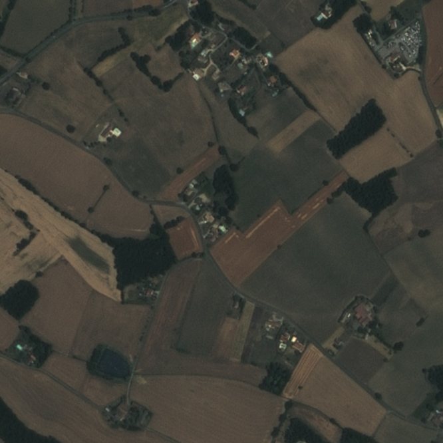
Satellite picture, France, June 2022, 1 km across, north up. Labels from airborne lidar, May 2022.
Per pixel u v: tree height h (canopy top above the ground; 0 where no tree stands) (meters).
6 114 0
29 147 0
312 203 0
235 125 0
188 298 0
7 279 0
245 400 0
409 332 0
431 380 15
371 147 0
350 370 0
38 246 0
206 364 0
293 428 15
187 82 0
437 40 0
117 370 0
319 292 0
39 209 0
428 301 0
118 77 0
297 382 0
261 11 0
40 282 0
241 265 0
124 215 0
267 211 0
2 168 0
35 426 0
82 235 0
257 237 0
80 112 0
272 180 0
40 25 0
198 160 0
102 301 0
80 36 0
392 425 0
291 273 0
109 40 0
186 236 0
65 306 0
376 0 0
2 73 10
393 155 0
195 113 0
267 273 0
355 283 0
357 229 0
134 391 0
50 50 0
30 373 0
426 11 0
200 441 0
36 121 0
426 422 11
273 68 12
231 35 11
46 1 0
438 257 0
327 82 0
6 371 0
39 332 0
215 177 13
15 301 20
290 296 0
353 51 0
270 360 0
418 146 0
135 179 0
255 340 0
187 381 0
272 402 0
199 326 0
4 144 0
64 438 0
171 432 0
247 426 0
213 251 0
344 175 0
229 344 0
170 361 0
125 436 0
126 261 19
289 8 0
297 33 0
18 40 0
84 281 0
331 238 0
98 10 0
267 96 0
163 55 0
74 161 0
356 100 0
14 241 0
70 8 8
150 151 0
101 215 0
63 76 0
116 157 0
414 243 0
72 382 0
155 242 16
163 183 0
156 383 0
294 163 0
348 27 0
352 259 0
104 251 0
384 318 0
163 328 0
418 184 0
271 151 0
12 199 0
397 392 0
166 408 0
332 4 7
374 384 0
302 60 0
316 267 0
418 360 0
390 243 0
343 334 0
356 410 0
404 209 0
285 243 0
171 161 0
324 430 0
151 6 12
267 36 0
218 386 0
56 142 0
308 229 0
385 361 8
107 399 0
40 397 0
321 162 0
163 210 0
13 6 11
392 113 0
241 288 0
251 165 0
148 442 0
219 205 13
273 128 0
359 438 15
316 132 0
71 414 0
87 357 0
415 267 0
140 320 0
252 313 0
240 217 0
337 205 0
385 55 0
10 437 15
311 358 0
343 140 9
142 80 0
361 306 0
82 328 0
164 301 0
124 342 0
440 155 0
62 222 0
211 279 0
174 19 0
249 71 11
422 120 0
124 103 0
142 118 0
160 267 17
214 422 0
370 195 15
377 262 0
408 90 0
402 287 0
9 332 0
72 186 0
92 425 0
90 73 12
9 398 0
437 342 0
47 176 0
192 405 0
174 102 0
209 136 0
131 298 0
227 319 0
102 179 0
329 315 0
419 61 12
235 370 0
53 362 0
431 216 0
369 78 0
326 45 0
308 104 10
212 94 0
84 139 0
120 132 0
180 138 0
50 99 0
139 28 0
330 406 0
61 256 0
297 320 0
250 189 0
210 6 15
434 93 0
